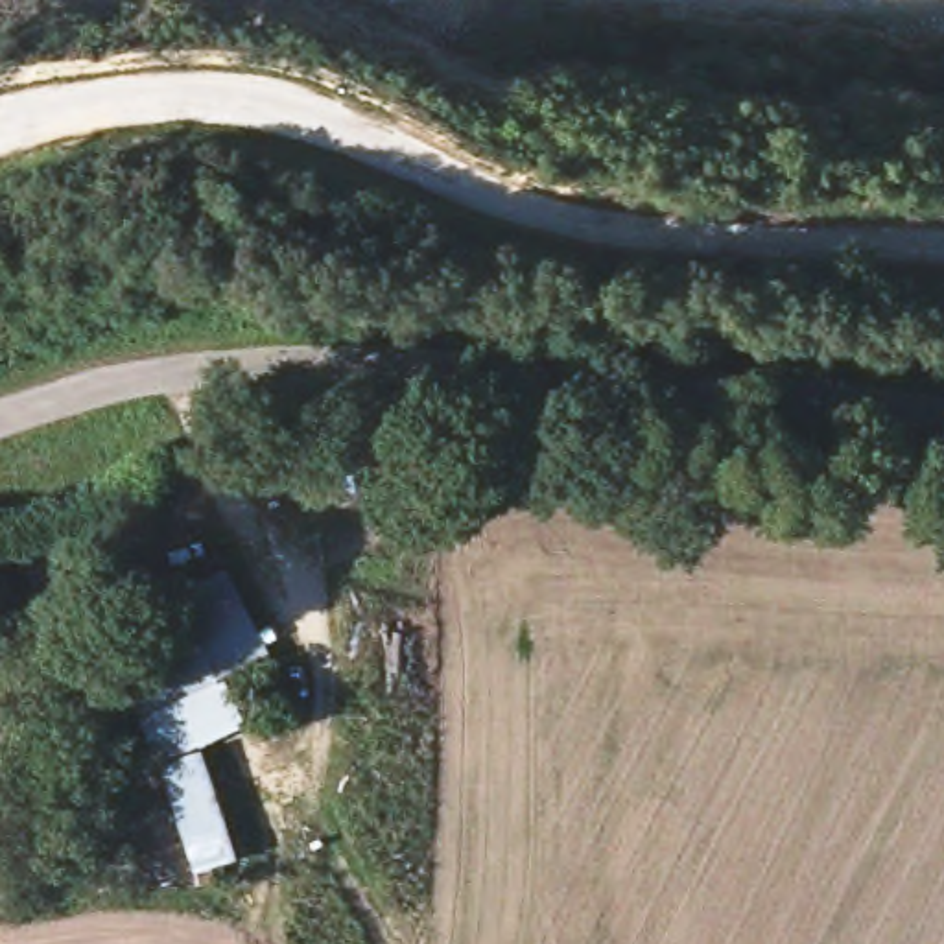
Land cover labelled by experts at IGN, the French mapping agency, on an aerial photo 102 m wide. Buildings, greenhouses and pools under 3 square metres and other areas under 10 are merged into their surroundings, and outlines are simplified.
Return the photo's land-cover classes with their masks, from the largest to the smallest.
<instances>
[{"label":"deciduous trees","instance_id":"1","mask_svg":"<svg viewBox=\"0 0 944 944\"><path fill-rule=\"evenodd\" d=\"M229 243L236 247L232 258L266 269L273 277L280 302H302L313 295H325L332 302L317 328L306 336V343L328 347V361L321 365L284 361L262 376H251L236 361H214L203 372V387L192 395L195 424L184 435L162 443L148 457L159 468L162 487H170L181 476H192L207 490L232 498L288 494L302 509H358L365 531L380 542L406 546L409 557L450 549L476 538L494 516H505L513 509H524L538 520H549L557 509H564L572 513V520L586 527H612L638 549L656 553L660 568H697L701 557L734 524L756 527L767 542L808 538L815 546H852L867 535L874 509L896 505L903 513V535L915 546H933L937 564L944 572V313L918 310L915 317H900L892 328L859 325L844 313V306L830 299L800 302L782 280H763L752 291L741 288L723 295L719 277H712L708 284H690L686 299L664 302L660 313H653L649 321L642 317V284L634 269L620 273L601 291L586 288L583 280H575V269L557 262H542L535 273H520L502 277L498 284L483 288L468 310H457L454 302L435 299L428 284L398 291L387 273H380L369 284L354 273V266L339 262L332 251L325 258H310L302 247L258 236L254 225L243 221V214L236 210L221 221ZM221 612L203 572L173 564L170 553L155 546L133 542L118 524L114 531L55 538L44 561L0 564V926L70 918L85 911H144L155 889L140 885L136 863L159 852L177 830L170 771L181 767V745L155 738L159 708L151 697L162 690L159 675L170 667L173 649L192 656L203 642H214L218 634ZM269 679L266 660H247L221 679L229 701L240 712V726L262 741L306 726L280 693L258 701V686Z\"/></svg>","mask_w":944,"mask_h":944},{"label":"agricultural land","instance_id":"2","mask_svg":"<svg viewBox=\"0 0 944 944\"><path fill-rule=\"evenodd\" d=\"M446 671L439 686L443 808L435 837V892L417 911L384 915V922L376 926L384 944H944V572L937 564L933 546H915L903 535V513L896 505L874 509L867 535L852 546H815L808 538L767 542L756 527L734 524L701 557L697 568H660L656 553L638 549L612 527H586L572 520V513L564 509H557L549 520H538L524 509H513L505 516H494L476 538L450 549L443 572ZM243 922L232 926L221 918L144 911H85L70 918L0 926V944H280L288 937V922L295 911L288 907L273 878L254 885L243 896Z\"/></svg>","mask_w":944,"mask_h":944},{"label":"brushwood","instance_id":"3","mask_svg":"<svg viewBox=\"0 0 944 944\"><path fill-rule=\"evenodd\" d=\"M225 48L236 52L251 74H258L273 59H291L302 70L328 66L343 77L369 85L376 96L398 100L409 111V118L439 125L472 155L494 159L513 170L557 173L561 181H572L575 192L586 199L616 195L620 203H645L686 221H723L741 210L767 218H944V100L929 96L926 81L903 74H885L863 96H856L841 85H793L778 81L771 70H756L752 81L738 89V100L719 103L708 89H682L675 81H660L656 70H638V81L627 85L623 66L605 63L601 70H579L575 77L561 70L549 74L542 96H535L527 81H513L505 92V122L498 125L350 52L328 63L325 52L299 33H277L269 48H251V37L243 30H225L218 37L214 30L188 22L184 11L177 18L140 26L136 18L100 26L89 22L77 33H44L37 48L41 63L103 59L111 52ZM162 129L151 140L118 151L114 166L107 170H81L74 188L41 181L30 218H11L7 199L0 192V395L26 391L33 384H48L96 365L218 347L306 343V336L317 328L332 302L325 295H313L302 302H280L273 277L266 269L232 258L236 247L229 243L221 221L236 210L243 214V221L254 225L258 236L302 247L310 258H325L332 251L339 262L354 266V273L369 284L380 273H387L398 291L428 284L435 299L454 302L457 310H468L483 288L498 284L502 277L520 273V258L513 251L502 247L494 254L490 247H472L457 232H439L431 207L384 195L398 177L387 166L372 162L376 151L343 148L321 129L159 122ZM697 266L634 269L642 284V317L649 321L653 313H660L664 302L686 299L690 284H708L712 277H719L723 295L741 288L752 291L763 280H782L800 302L830 299L844 306V313L859 325L892 328L900 317H907V310L892 299L889 277L863 262L852 277H844L837 269V254H797L793 262V254H749L734 243L715 251H690ZM162 487L159 468L148 457L125 454L122 461L103 465L92 479H81L77 490H44L37 502L0 513V564L44 561L55 538L114 531L118 524L125 494L133 502H155ZM450 549L409 557L406 546L380 542L365 531V553L347 575V594L332 608H325L328 638L317 645L325 653V667L336 671L354 693V701L328 719L332 749L317 789V815L310 819V826L295 822V830L273 833V878L288 907L295 911L288 922V937L280 944H384L376 926L384 922V915L417 911L435 892V837L443 808L439 686L446 671L443 572ZM254 885L218 881L214 870L199 885H192L155 889L144 911L221 918L232 926L243 922V896Z\"/></svg>","mask_w":944,"mask_h":944},{"label":"pervious surface","instance_id":"4","mask_svg":"<svg viewBox=\"0 0 944 944\"><path fill-rule=\"evenodd\" d=\"M184 11L188 22L214 30L218 37L225 30H243L251 37V48H269L277 33H299L325 52L328 63L350 52L498 125L505 122V92L513 81H527L535 96H542L549 74L561 70L575 77L579 70H601L605 63L623 66L627 85L638 81V70H656L660 81H675L682 89H708L719 103L738 100V89L752 81L756 70H771L778 81L793 85H841L856 96H863L885 74H903L926 81L929 96L944 100V0H0V155L55 136H85L111 125L159 122L321 129L343 148L376 151L372 162L387 166L398 177L454 195L476 210L549 229L561 236L620 247L690 251H715L734 243L749 254H793V262L797 254H837V269L844 277H852L863 262V251H881L889 258L944 262V218H767L741 210L723 221H686L645 203H620L616 195L586 199L575 192L572 181H561L557 173L513 170L494 159L472 155L439 125L409 118V111L398 100L376 96L369 85L343 77L328 66L302 70L291 59H273L258 74H251L236 52L225 48L111 52L103 59L41 63L37 48L44 33H77L89 22L100 26L136 18L140 26L177 18ZM214 361H236L251 376H262L284 361L321 365L328 361V347L306 343L218 347L96 365L48 384H33L26 391L0 395V439L100 406L151 395L170 398L184 435L195 424L192 395L203 387V372ZM133 542L155 546L170 553L173 564L203 572L221 612L218 634L229 638L247 623H254L258 631H273L277 642L269 645L266 660L269 679L258 686V701L280 693L306 726L328 719L354 701V693L336 671L325 667V653L317 645L328 638L325 608H332L347 594V575L365 553V531L358 509H302L288 494L232 498L207 490L192 476H181L170 487H162L155 502H133L125 494L118 524Z\"/></svg>","mask_w":944,"mask_h":944},{"label":"herbaceous vegetation","instance_id":"5","mask_svg":"<svg viewBox=\"0 0 944 944\"><path fill-rule=\"evenodd\" d=\"M162 129L159 122L111 125L85 136H55L0 155V192L7 199L11 218H30L41 181L74 188L81 170H107L114 166L118 151L151 140ZM384 195L431 207L439 232H457L472 247H490L494 254L502 247L513 251L520 258V273H535L542 262H557L575 269V280H583L586 288L601 291L620 273L634 269L697 266L690 251L620 247L561 236L549 229L476 210L454 195L398 177ZM863 262L889 277L892 299L907 310V317H915L918 310L944 313V262L889 258L881 251H863ZM184 435L170 398L151 395L100 406L0 439V513L37 502L44 490H77L81 479H92L103 465L122 461L125 454L148 457L162 443ZM332 749L328 719L306 726L262 741L240 726L229 738L203 749L214 800L221 808L232 844V863L214 870L218 881L254 885L273 878V833L295 830V822L310 826V819L317 815V789ZM140 885L155 889L192 885V867L177 830L159 852L136 863Z\"/></svg>","mask_w":944,"mask_h":944},{"label":"building","instance_id":"6","mask_svg":"<svg viewBox=\"0 0 944 944\"><path fill-rule=\"evenodd\" d=\"M277 642L273 631H258L254 623H247L229 638L218 634L214 642H203L192 656L173 649L170 667L159 675L162 690L151 697L159 708L155 738L181 745V767L170 771L177 830L192 867V885H199L214 870L232 863V844L221 808L214 800L203 749L229 738L240 726V712L229 701L221 679L247 660H266L269 645Z\"/></svg>","mask_w":944,"mask_h":944}]
</instances>
